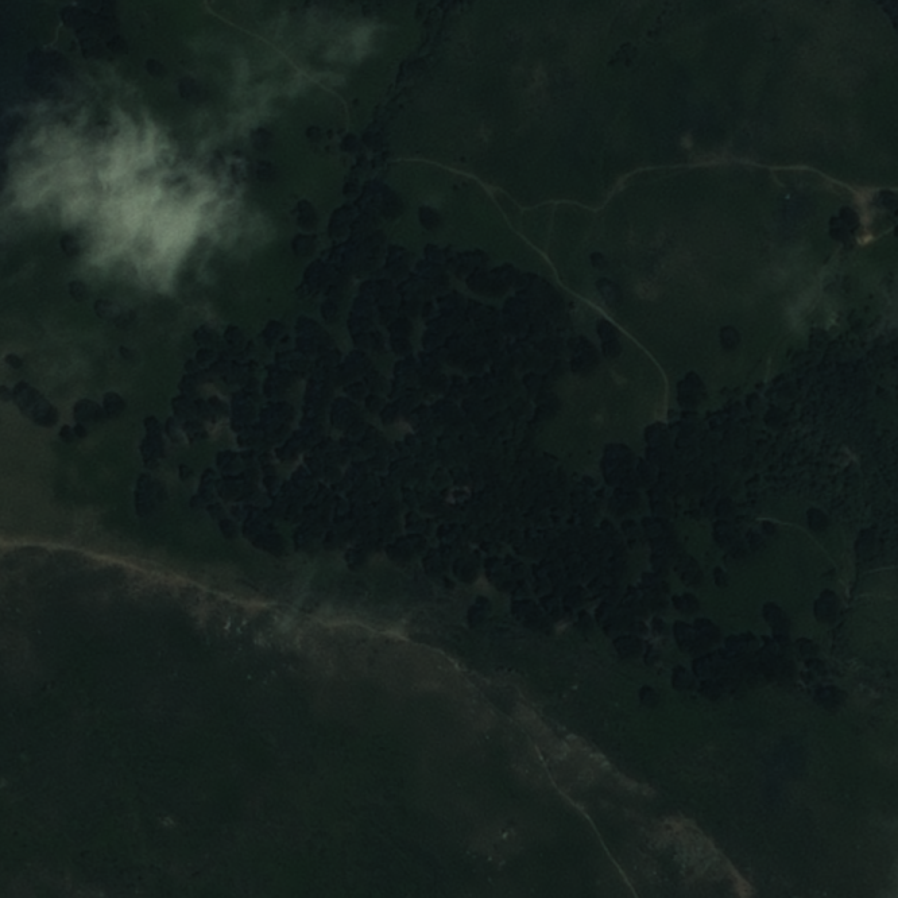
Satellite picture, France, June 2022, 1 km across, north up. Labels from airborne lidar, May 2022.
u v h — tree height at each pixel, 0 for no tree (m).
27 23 0
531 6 0
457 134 0
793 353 9
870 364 14
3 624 0
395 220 10
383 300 21
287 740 0
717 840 0
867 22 0
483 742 0
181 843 0
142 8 0
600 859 0
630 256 0
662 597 23
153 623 0
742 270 0
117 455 0
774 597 0
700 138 0
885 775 0
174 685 0
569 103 0
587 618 20
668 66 0
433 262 20
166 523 0
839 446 7
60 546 0
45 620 0
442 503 26
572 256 0
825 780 0
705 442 29
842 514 6
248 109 0
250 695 0
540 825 0
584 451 0
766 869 0
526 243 0
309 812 0
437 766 0
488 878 0
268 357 0
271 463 17
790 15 0
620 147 0
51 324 0
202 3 0
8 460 0
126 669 0
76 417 6
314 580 0
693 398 26
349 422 22
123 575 0
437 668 0
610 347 16
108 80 0
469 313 28
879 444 15
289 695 0
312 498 20
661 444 21
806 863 0
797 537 0
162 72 23
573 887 0
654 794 0
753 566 0
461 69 0
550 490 26
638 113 0
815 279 0
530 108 0
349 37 0
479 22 0
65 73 19
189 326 0
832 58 0
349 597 0
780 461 12
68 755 0
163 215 19
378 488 22
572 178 0
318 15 11
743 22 0
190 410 24
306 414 13
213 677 0
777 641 20
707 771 0
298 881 0
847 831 0
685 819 0
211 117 0
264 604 0
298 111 0
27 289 0
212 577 0
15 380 0
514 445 19
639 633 21
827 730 0
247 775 0
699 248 0
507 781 0
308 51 0
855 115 0
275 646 0
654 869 0
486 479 25
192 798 0
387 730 0
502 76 0
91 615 0
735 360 0
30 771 0
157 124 0
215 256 0
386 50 0
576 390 0
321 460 18
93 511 0
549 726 0
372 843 0
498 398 24
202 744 0
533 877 0
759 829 0
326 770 0
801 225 0
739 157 0
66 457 0
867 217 0
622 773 0
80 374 0
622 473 28
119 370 0
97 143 18
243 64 0
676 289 0
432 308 21
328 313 18
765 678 21
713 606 0
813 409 13
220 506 19
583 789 0
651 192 0
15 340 0
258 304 0
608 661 0
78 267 0
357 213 26
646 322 0
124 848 0
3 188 21
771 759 0
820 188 0
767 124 0
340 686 0
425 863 0
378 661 0
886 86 0
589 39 0
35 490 0
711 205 0
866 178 0
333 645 0
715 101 0
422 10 20
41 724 0
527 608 25
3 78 0
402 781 0
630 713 0
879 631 0
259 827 0
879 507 12
